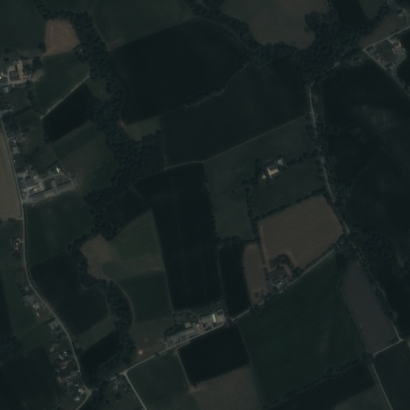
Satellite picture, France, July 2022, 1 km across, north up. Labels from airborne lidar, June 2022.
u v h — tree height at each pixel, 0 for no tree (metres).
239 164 0
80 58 16
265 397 0
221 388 0
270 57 25
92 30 20
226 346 0
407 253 0
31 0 7
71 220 0
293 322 0
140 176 14
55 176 0
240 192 0
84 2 0
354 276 0
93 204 16
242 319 0
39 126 0
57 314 0
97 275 0
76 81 0
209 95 13
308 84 27
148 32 0
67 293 0
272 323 0
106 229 9
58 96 0
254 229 11
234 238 15
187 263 0
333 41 26
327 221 0
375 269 0
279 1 0
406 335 15
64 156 0
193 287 0
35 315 0
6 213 0
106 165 0
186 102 11
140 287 0
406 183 0
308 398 0
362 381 0
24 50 0
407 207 0
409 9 0
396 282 0
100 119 20
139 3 0
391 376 0
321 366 0
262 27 0
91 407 0
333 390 0
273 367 0
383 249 20
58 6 0
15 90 13
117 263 0
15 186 0
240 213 0
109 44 0
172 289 0
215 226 10
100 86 0
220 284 0
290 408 0
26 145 0
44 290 0
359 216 0
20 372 0
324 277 0
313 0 0
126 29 0
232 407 0
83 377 10
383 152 0
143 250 0
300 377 0
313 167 0
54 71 0
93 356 0
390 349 0
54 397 0
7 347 28
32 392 0
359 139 12
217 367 0
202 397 0
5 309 0
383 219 0
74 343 7
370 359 18
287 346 0
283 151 0
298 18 0
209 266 0
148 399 0
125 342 17
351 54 18
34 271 0
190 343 0
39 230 0
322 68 25
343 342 0
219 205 0
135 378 0
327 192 14
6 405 0
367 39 0
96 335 0
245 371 0
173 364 0
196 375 0
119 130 28
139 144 10
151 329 0
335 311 0
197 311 0
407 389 0
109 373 0
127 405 0
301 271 9
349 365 9
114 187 8
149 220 0
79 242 15
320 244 0
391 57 0
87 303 0
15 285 0
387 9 10
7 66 0
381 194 0
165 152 14
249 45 12
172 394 0
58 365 7
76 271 0
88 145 0
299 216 0
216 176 0
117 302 10
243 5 0
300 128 0
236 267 0
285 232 0
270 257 0
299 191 0
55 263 0
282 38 0
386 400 0
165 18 0
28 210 0
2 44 0
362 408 0
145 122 0
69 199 0
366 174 0
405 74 0
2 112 0
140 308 0
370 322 0
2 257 0
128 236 0
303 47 0
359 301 0
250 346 0
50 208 0
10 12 0
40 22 0
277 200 0
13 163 0
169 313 0
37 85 0
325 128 14
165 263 0
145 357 0
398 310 0
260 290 0
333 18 25
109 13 0
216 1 30
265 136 0
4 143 0
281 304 0
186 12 0
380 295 15
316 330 0
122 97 8
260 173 15
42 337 0
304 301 0
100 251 0
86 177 0
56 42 0
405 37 0
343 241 8
